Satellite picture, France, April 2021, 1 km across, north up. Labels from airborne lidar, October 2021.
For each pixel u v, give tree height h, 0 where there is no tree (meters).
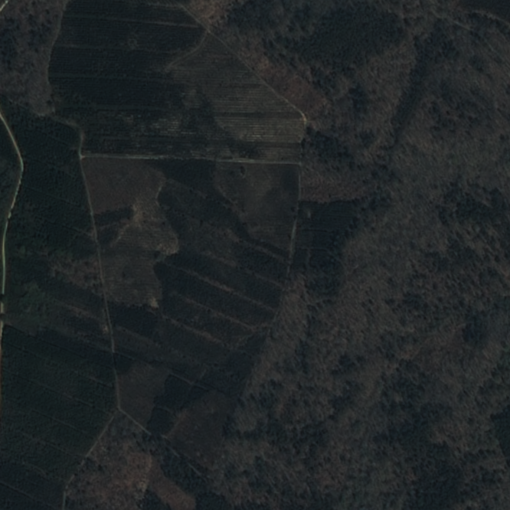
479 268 8
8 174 13
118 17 6
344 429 11
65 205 13
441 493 15
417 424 15
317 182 10
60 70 8
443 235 11
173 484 22
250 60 8
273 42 12
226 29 9
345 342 14
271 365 19
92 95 8
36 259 8
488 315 16
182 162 7
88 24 7
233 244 6
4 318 15
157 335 6
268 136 0
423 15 22
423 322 20
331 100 22
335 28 26
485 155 22
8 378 9
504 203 15
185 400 10
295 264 12
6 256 0
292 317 15
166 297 8
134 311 9
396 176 16
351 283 13
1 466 11
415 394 18
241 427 16
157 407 10
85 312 7
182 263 9
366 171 15
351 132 7
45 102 13
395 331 20
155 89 6
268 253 7
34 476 9
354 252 14
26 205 9
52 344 11
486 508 19
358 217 12
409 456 24
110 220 7
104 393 9
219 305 6
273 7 14
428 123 10
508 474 13
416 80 19
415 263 9
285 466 15
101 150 6
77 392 6
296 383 16
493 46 15
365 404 17
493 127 14
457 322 10
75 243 9
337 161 25
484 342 22
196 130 5
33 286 18
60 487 7
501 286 13
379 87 19
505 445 24
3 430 8
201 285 7
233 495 18
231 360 7
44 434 8
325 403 15
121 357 10
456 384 13
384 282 12
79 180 10
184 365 6
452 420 11
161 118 6
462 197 16
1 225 9
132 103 9
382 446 23
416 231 11
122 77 9
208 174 7
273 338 13
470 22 18
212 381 6
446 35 14
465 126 8
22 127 11
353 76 26
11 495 13
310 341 23
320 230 11
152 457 9
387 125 13
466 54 16
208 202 8
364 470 11
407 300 19
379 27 26
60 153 11
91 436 9
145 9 7
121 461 12
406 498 11
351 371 22
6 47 16
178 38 6
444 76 11
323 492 10
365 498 14
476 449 12
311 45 24
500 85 17
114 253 0
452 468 8
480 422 14
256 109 0
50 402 10
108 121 6
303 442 13
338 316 14
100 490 6
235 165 0
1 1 0
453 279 15
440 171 14
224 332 7
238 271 6
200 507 20
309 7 15
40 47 17
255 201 0
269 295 6
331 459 10
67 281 16
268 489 24
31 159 12
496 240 15
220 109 0
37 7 12
